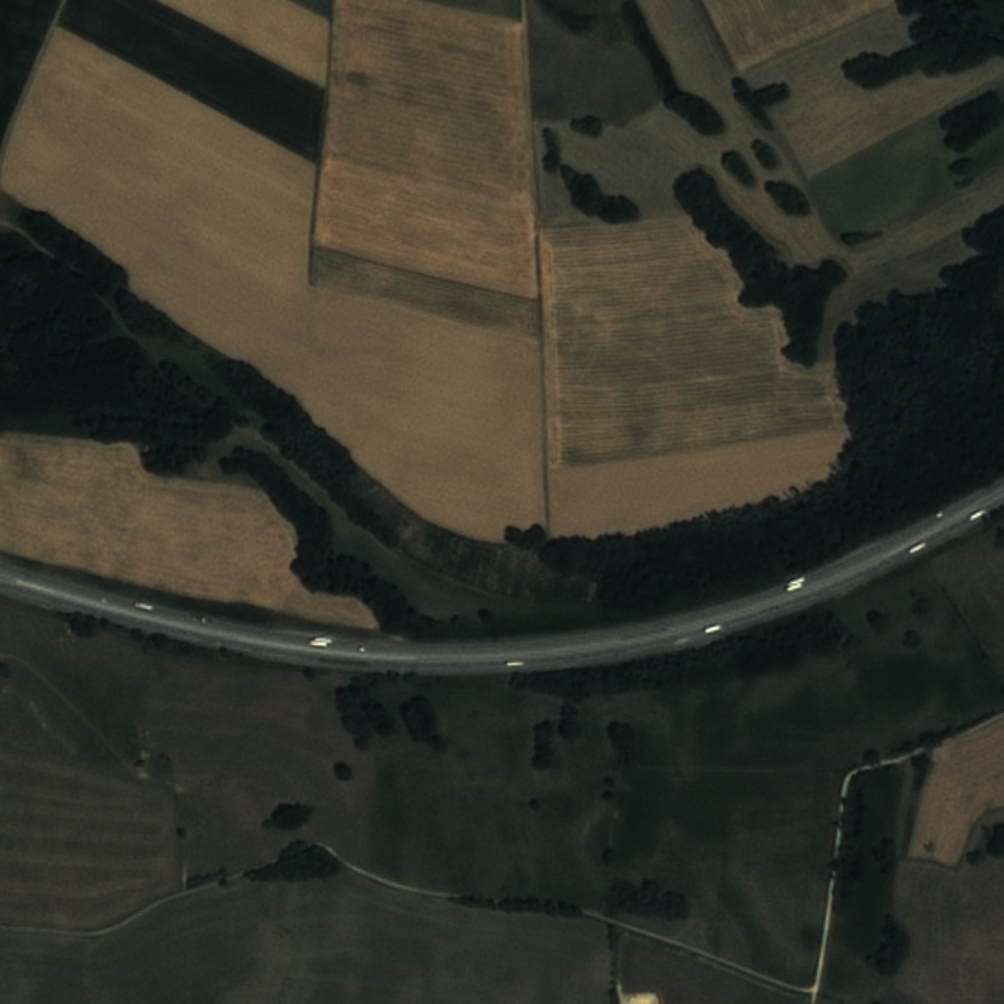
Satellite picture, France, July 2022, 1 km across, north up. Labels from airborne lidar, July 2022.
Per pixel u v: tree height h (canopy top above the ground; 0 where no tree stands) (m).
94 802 0
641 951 0
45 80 0
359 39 0
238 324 0
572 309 0
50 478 0
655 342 0
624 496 0
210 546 0
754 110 12
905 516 16
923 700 0
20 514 0
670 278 0
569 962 0
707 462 0
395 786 0
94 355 9
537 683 12
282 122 0
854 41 0
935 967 0
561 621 0
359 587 17
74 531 0
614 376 0
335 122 0
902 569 0
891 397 21
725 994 0
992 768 0
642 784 0
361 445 0
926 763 14
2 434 0
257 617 0
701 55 0
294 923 0
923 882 0
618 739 14
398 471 0
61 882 0
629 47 0
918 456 24
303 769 0
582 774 0
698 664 8
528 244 0
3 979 0
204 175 0
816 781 0
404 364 0
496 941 0
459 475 0
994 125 14
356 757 0
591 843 0
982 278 24
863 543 10
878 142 0
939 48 17
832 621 9
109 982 0
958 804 0
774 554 21
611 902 0
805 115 0
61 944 0
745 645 9
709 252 0
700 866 0
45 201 0
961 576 0
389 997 0
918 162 0
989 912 0
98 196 0
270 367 0
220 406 18
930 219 0
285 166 0
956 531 0
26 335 20
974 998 0
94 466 0
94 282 18
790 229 0
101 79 0
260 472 20
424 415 0
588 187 16
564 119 0
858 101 0
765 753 0
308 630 0
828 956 0
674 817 0
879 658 0
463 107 0
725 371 0
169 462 10
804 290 21
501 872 0
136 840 0
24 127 0
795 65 0
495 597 0
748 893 0
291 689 0
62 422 0
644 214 0
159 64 0
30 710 0
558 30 0
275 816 9
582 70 0
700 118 15
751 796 0
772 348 0
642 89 0
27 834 0
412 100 0
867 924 0
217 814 0
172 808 0
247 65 0
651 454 0
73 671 0
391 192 0
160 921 0
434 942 0
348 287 0
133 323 17
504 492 0
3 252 11
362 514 19
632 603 13
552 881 0
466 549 0
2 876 0
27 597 0
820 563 14
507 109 0
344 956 0
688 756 0
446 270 0
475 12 0
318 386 0
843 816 7
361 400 0
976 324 25
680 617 0
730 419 0
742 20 0
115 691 0
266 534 0
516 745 0
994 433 23
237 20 0
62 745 0
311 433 17
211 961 0
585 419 0
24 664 0
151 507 0
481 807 0
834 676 0
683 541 19
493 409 0
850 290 0
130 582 0
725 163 10
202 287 0
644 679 10
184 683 0
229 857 0
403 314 0
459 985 0
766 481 0
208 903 0
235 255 0
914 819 0
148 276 0
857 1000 0
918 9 12
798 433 0
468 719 0
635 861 0
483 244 0
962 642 0
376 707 17
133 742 0
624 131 0
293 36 0
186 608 0
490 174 0
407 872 0
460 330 0
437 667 0
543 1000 0
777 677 0
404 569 0
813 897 0
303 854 9
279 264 0
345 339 0
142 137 0
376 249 0
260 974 0
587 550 19
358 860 0
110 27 0
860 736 0
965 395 24
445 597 0
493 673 0
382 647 0
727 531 20
